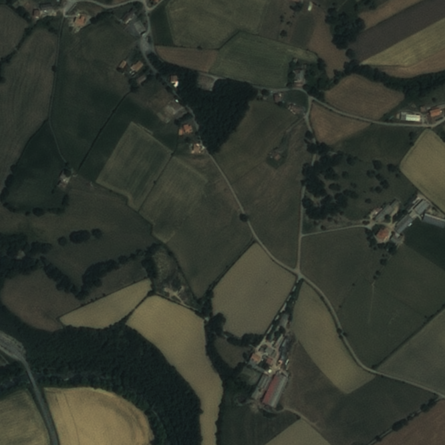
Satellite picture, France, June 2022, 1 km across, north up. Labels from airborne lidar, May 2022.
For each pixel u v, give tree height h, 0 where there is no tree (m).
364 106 0
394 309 0
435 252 0
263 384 0
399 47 0
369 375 0
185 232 0
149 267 12
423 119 0
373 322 0
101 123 0
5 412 0
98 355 10
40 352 6
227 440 0
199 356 0
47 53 0
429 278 0
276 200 0
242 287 0
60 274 18
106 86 0
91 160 0
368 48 0
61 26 0
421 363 0
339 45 20
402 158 0
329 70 0
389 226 0
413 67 0
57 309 0
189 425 12
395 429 12
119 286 0
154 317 0
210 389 0
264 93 15
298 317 0
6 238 11
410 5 0
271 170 0
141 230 0
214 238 0
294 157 0
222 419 7
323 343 0
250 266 0
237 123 16
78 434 0
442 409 0
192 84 15
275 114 0
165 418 27
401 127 0
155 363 14
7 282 0
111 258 0
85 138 0
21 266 24
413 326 0
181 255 0
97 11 0
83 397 0
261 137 0
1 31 0
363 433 0
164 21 0
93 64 0
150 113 0
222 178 0
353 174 0
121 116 0
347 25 20
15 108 0
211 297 14
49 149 0
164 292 0
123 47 0
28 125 0
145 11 0
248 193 0
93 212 0
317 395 0
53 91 0
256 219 0
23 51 0
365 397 0
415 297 0
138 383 18
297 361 0
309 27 0
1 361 0
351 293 0
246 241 0
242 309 0
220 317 13
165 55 0
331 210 24
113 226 0
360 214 0
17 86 0
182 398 9
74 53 0
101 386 25
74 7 0
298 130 0
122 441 0
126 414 0
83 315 0
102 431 0
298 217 0
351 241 0
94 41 0
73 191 0
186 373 0
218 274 0
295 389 0
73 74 0
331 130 0
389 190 0
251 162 0
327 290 0
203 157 0
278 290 0
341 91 0
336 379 0
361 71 23
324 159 16
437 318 0
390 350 0
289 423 0
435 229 0
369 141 0
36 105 0
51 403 0
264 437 0
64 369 20
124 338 16
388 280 0
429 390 0
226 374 13
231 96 16
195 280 0
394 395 0
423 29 0
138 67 0
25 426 0
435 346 0
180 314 0
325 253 0
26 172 0
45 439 0
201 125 8
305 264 0
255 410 0
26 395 0
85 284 14
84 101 0
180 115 0
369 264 0
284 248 0
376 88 0
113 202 0
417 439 0
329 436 0
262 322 0
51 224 0
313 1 0
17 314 0
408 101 0
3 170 0
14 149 0
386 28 0
